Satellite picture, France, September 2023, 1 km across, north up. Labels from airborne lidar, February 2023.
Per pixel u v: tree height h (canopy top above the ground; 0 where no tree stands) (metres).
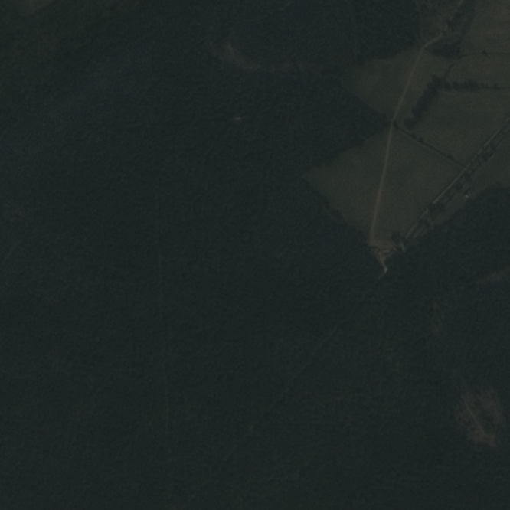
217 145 20
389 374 17
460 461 29
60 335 22
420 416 18
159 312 18
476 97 0
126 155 20
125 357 14
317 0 9
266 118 24
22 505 20
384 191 0
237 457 17
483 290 20
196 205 20
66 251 20
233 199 19
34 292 12
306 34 21
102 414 21
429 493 21
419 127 0
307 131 17
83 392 21
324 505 24
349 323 19
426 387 25
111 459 18
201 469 23
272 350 19
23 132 20
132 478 17
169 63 20
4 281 14
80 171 22
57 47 9
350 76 0
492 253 23
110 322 21
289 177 25
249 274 25
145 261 19
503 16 0
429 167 0
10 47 19
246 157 24
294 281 22
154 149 20
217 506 24
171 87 22
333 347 16
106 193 19
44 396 17
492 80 0
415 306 25
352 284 20
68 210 22
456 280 18
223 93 28
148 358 14
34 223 19
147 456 22
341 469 24
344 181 0
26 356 16
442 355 22
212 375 22
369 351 17
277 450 18
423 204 0
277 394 20
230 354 22
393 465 26
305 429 20
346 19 23
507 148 0
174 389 22
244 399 24
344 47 23
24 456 18
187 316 23
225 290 25
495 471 28
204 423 20
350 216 0
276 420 18
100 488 22
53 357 15
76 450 19
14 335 22
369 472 25
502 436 24
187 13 24
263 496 12
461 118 0
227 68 18
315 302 25
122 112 23
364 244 11
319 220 11
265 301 25
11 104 28
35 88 27
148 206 20
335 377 18
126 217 17
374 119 20
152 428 10
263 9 18
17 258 18
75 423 16
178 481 21
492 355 21
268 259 22
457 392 22
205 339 25
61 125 17
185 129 21
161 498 22
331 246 23
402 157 0
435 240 22
